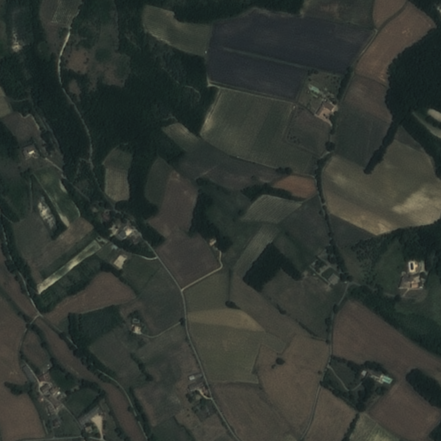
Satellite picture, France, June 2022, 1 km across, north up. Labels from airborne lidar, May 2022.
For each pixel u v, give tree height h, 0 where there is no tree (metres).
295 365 0
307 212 0
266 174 0
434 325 7
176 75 12
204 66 14
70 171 13
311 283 0
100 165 7
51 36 0
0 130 17
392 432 0
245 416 0
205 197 16
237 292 0
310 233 0
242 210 9
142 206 20
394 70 12
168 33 0
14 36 0
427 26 0
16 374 0
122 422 0
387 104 15
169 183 0
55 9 0
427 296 0
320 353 0
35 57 10
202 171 0
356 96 0
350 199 0
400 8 0
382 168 0
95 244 0
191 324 0
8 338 0
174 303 0
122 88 6
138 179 21
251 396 0
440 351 8
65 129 15
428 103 17
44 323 0
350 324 0
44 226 0
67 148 17
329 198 0
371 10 0
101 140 9
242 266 0
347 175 0
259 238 0
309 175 0
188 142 0
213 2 8
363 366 12
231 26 0
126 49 9
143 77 8
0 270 0
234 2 9
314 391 0
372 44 0
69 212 0
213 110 0
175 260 0
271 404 0
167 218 0
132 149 9
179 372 0
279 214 0
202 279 0
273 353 0
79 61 0
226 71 0
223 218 0
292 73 0
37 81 11
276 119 0
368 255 8
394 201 0
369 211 0
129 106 9
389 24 0
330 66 0
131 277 0
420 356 0
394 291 0
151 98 11
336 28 0
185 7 6
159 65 6
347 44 0
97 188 9
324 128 0
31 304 0
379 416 0
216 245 11
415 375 20
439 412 0
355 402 7
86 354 20
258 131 0
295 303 0
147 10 0
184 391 0
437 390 17
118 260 0
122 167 0
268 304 0
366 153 0
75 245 0
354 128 0
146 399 0
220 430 0
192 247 0
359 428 0
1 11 0
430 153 10
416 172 0
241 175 0
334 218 0
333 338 0
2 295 0
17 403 0
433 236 19
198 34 0
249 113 0
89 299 0
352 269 0
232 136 0
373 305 7
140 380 0
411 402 0
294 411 0
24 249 0
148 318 0
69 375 16
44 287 0
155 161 0
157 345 0
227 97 0
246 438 0
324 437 0
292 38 0
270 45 0
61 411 0
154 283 0
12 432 0
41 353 0
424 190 0
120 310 0
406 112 22
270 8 17
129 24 7
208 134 0
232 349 0
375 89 0
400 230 10
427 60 16
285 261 17
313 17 0
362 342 0
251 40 0
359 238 0
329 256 11
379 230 0
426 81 18
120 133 15
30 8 6
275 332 0
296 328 0
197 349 0
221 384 0
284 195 9
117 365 0
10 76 9
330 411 0
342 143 0
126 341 0
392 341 0
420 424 0
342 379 0
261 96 0
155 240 14
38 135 0
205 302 0
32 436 0
